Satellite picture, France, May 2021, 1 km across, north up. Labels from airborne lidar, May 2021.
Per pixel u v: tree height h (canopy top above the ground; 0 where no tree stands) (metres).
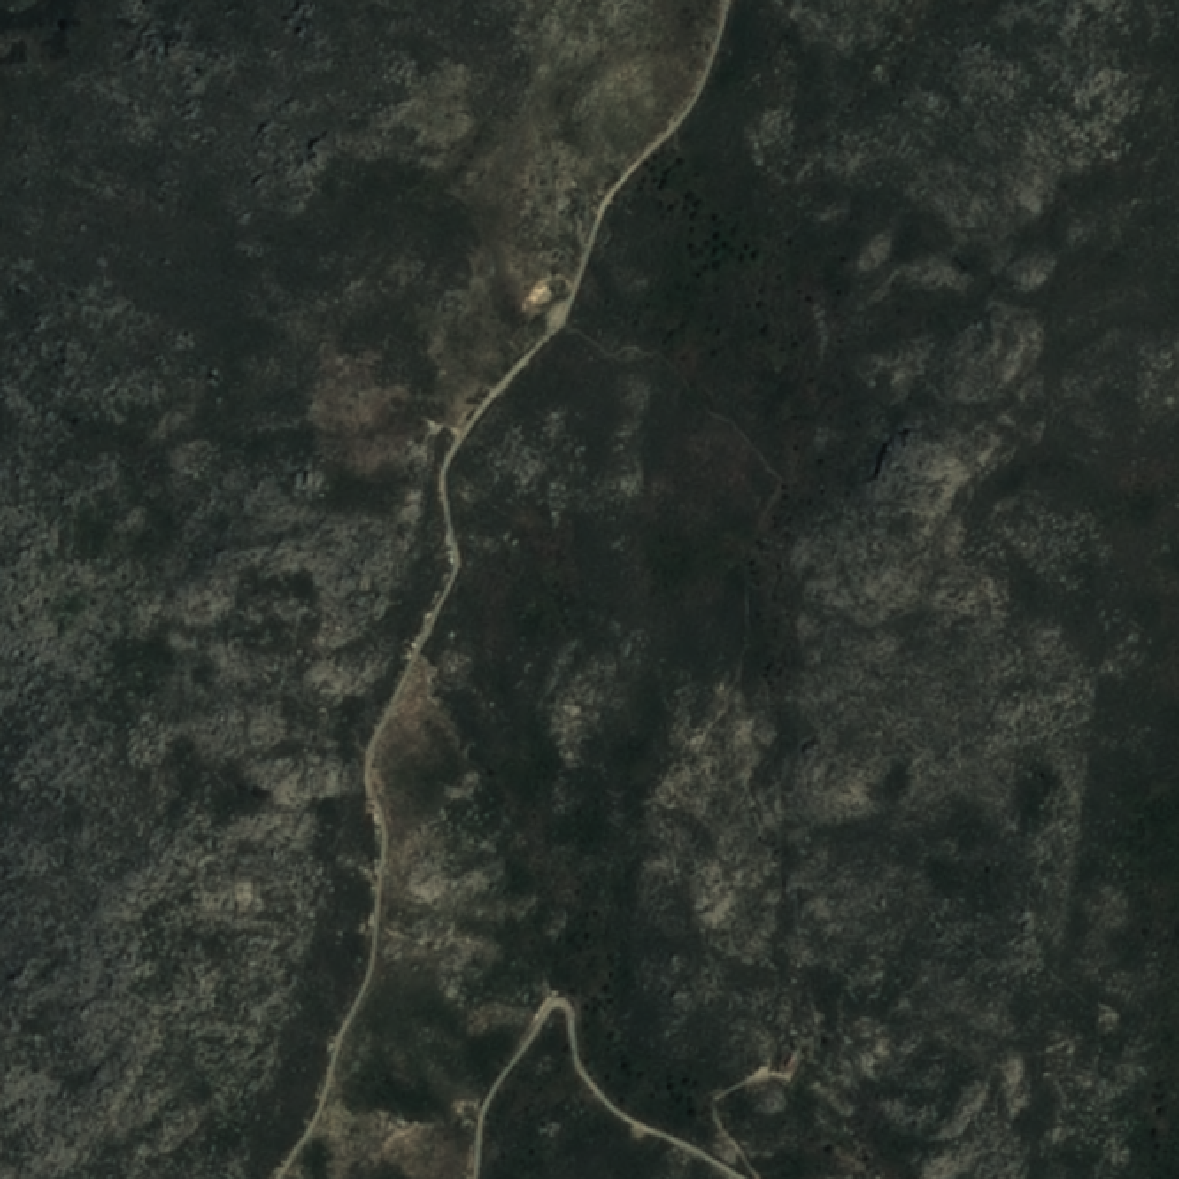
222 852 0
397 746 0
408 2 0
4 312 0
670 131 0
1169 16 0
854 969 0
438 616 0
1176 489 0
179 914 0
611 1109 0
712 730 0
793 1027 0
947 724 0
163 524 0
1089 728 0
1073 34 0
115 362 0
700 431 0
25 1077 0
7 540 0
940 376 0
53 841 0
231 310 0
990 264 0
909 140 0
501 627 0
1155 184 0
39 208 0
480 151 0
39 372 0
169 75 0
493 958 0
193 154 0
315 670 0
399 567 0
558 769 0
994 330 0
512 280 0
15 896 0
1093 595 0
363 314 0
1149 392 0
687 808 0
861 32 0
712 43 0
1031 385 0
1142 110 0
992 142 0
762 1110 0
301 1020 0
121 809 0
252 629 0
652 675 0
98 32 0
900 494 0
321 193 0
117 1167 0
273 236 0
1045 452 0
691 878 0
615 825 0
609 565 0
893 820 0
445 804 0
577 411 0
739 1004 0
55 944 0
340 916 0
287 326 0
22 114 0
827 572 0
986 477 0
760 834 0
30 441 0
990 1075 0
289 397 0
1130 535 0
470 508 0
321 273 0
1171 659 0
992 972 0
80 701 0
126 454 0
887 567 0
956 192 0
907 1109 0
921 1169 0
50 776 0
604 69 0
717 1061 0
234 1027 0
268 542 0
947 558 0
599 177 0
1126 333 0
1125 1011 0
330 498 0
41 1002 0
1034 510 0
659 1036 0
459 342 0
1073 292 0
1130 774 0
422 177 0
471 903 0
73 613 0
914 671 0
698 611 0
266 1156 0
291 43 0
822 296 0
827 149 0
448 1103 0
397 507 0
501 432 0
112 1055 0
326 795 0
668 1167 0
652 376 0
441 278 0
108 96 0
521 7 0
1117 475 0
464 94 0
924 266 0
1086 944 0
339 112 0
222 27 0
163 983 0
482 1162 0
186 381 0
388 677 0
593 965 9
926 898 0
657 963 0
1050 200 0
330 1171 0
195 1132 0
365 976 0
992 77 0
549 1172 0
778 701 0
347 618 0
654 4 0
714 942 0
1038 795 0
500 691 0
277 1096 0
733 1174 0
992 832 0
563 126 0
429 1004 0
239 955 0
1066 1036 0
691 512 0
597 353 0
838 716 0
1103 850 0
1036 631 0
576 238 0
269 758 0
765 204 0
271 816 0
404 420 0
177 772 0
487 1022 0
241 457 0
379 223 0
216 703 0
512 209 0
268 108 0
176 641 0
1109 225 0
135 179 0
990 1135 0
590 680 0
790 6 0
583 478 0
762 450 0
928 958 0
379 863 0
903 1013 0
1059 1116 0
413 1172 0
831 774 0
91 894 0
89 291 0
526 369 0
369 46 0
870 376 0
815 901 0
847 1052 0
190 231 0
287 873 0
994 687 0
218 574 0
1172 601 0
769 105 0
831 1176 0
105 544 0
